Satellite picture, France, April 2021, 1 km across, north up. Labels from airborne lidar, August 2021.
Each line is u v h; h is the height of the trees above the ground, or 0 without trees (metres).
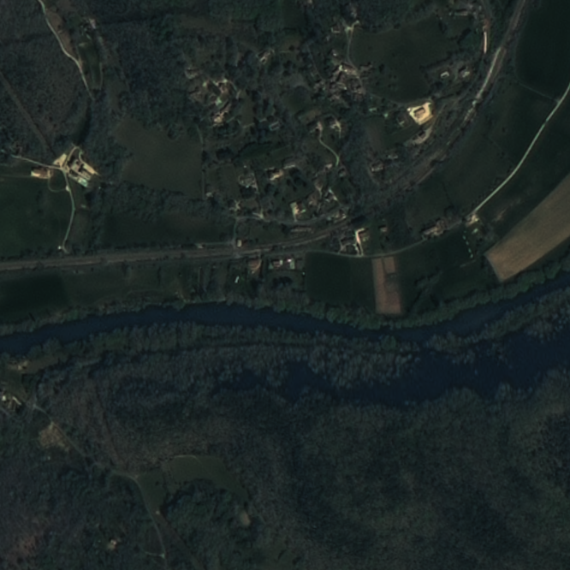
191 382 20
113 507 22
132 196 23
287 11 0
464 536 11
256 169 8
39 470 18
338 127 9
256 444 20
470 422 14
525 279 15
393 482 11
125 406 7
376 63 0
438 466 14
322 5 20
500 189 0
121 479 8
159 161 0
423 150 7
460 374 6
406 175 13
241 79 19
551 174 0
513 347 12
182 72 11
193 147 0
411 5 16
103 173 19
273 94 18
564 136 0
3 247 0
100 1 11
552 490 15
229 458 21
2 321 0
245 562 17
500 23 10
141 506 8
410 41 0
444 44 0
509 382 13
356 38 0
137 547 18
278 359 19
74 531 17
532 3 14
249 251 0
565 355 22
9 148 16
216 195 8
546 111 0
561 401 13
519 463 14
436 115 0
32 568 13
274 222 8
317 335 17
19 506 13
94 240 6
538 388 11
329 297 0
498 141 0
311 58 14
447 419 15
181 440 14
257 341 22
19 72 10
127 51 13
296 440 9
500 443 13
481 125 0
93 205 25
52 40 11
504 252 0
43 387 7
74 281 0
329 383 16
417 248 0
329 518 12
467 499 11
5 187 0
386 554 15
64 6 0
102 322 0
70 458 9
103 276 0
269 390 16
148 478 0
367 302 0
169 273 0
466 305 17
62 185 0
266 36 13
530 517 11
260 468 18
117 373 14
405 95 0
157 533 11
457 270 0
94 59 0
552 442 12
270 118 11
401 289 0
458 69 10
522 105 0
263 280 16
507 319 17
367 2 17
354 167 23
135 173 0
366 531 15
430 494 15
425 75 11
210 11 14
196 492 22
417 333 0
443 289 0
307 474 10
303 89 15
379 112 6
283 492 14
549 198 0
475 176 0
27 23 17
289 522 15
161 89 17
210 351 21
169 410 9
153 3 19
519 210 0
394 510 15
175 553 14
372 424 16
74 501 24
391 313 0
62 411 13
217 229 0
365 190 19
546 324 19
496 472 16
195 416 11
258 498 19
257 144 9
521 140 0
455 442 15
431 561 12
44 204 11
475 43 18
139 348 37
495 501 13
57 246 0
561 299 22
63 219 0
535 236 0
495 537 10
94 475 12
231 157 19
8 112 10
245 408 10
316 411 11
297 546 14
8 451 21
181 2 13
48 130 13
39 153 18
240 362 17
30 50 14
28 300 0
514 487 13
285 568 0
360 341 21
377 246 0
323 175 8
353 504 11
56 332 0
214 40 15
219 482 0
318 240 5
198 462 0
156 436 17
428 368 13
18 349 0
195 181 0
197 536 19
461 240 0
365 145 17
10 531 13
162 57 18
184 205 21
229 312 0
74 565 25
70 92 7
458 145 13
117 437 17
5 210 0
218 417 15
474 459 12
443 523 13
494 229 0
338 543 10
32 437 0
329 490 13
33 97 9
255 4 20
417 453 9
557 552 9
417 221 0
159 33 10
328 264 0
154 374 14
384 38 0
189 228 0
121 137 0
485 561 12
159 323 0
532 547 9
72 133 29
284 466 17
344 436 14
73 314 15
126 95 12
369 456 16
